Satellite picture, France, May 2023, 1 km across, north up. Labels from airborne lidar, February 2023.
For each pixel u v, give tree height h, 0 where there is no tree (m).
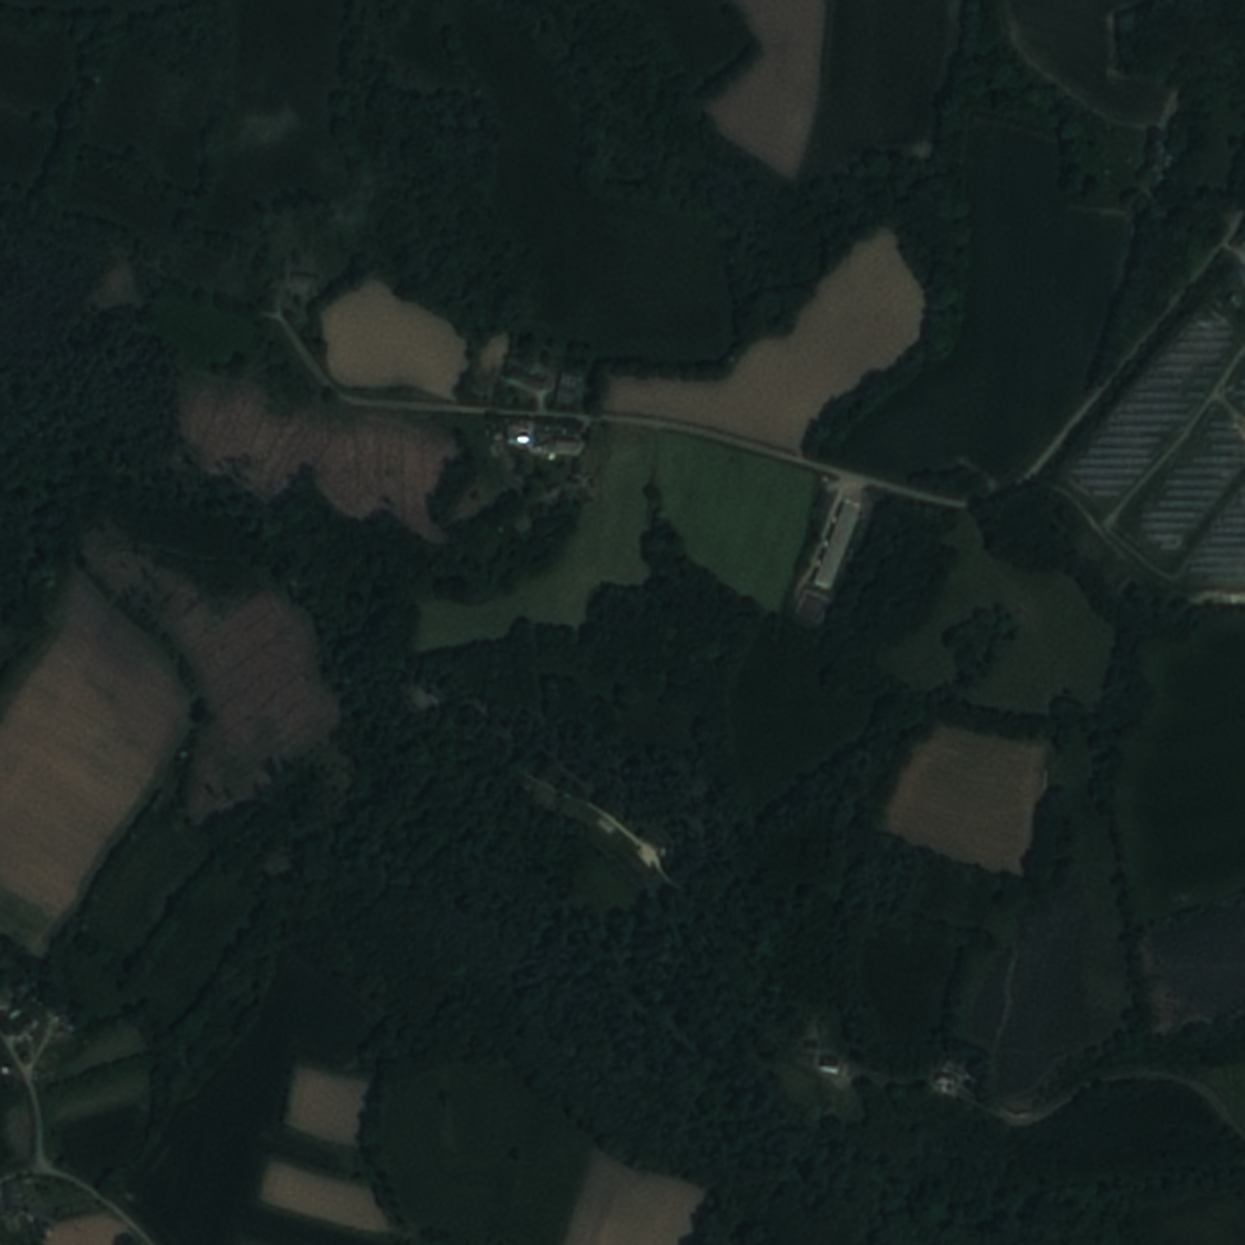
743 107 0
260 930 16
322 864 25
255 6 0
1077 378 0
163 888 0
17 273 16
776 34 0
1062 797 16
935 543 9
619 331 0
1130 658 13
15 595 15
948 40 0
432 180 15
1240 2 22
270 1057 0
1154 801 0
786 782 0
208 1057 13
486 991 20
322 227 16
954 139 16
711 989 15
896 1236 24
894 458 0
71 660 0
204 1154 0
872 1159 8
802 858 22
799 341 0
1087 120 13
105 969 12
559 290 0
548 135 0
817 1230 27
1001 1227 27
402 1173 0
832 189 14
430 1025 17
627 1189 0
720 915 12
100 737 0
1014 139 0
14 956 20
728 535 0
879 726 19
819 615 0
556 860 20
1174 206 14
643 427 0
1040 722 13
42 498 10
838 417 14
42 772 0
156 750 0
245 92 0
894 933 16
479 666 18
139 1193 0
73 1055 0
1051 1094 7
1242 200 13
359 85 8
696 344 0
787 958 20
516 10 19
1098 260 0
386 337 0
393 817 9
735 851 14
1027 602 0
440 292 10
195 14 11
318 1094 0
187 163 0
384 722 15
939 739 0
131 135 0
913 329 0
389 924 19
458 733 8
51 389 22
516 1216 0
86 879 0
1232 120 0
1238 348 0
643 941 25
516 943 28
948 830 0
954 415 0
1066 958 0
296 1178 0
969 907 0
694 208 14
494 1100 0
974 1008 0
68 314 19
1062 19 0
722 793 19
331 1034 0
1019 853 0
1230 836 0
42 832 0
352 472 0
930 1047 8
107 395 17
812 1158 29
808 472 0
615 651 20
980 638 9
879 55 0
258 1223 0
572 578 0
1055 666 0
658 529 9
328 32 0
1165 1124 8
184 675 7
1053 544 14
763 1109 24
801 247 11
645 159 10
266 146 0
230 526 11
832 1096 0
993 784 0
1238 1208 0
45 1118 0
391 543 18
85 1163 0
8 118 0
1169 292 16
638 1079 24
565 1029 28
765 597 0
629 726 0
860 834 23
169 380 27
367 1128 17
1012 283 0
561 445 0
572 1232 0
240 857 14
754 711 0
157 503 20
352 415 0
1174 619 11
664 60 11
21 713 0
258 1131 0
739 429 0
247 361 8
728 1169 21
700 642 14
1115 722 15
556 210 0
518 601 0
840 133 0
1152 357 9
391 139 8
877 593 15
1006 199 0
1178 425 0
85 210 0
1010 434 0
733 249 17
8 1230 0
